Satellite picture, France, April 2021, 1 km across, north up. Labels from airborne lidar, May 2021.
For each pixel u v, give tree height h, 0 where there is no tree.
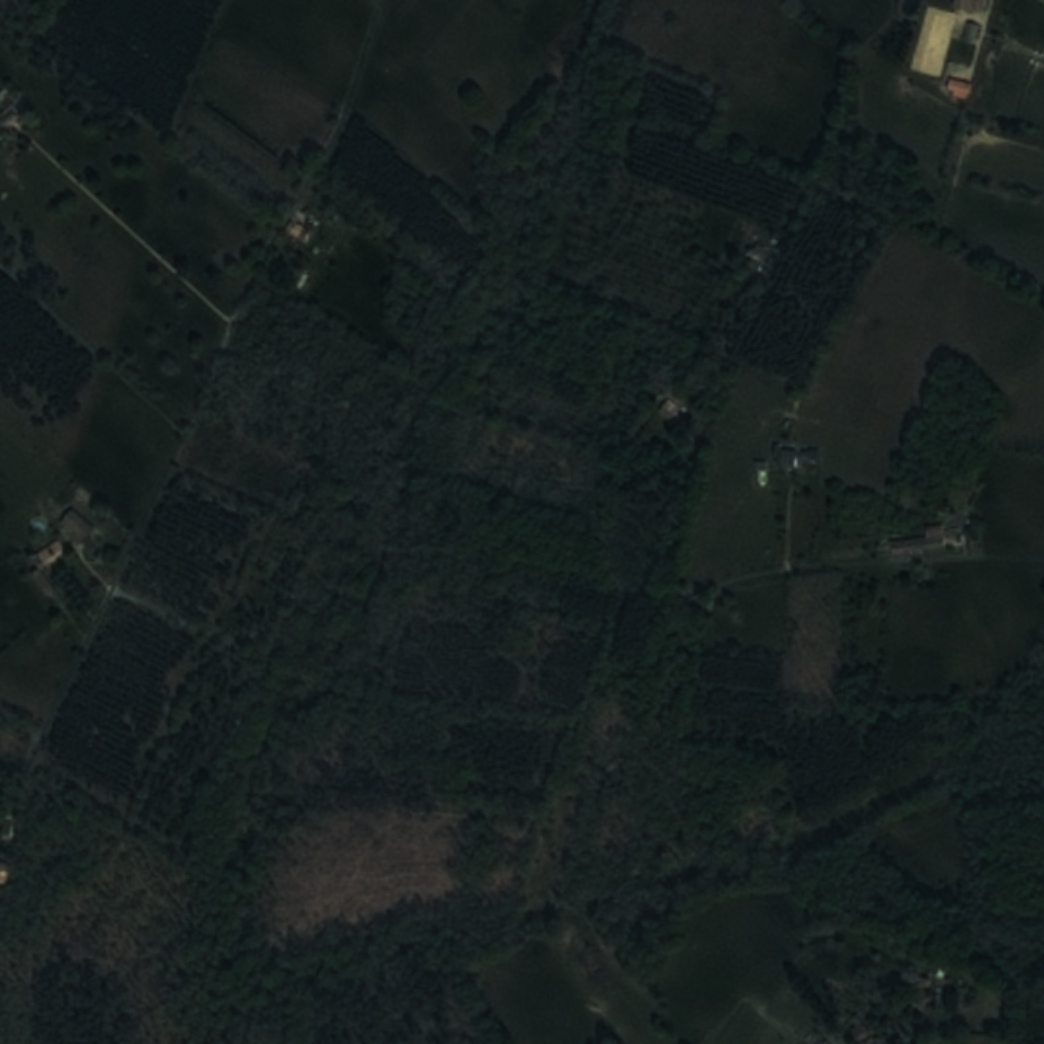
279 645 11
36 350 13
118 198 0
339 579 13
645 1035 0
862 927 17
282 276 25
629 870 18
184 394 0
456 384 27
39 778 10
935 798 17
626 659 18
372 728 21
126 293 0
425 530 18
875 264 10
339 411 12
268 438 24
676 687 16
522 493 8
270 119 0
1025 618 0
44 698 0
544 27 0
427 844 0
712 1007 0
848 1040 8
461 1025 16
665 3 0
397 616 14
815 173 20
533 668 10
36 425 8
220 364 15
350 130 10
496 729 16
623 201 9
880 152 6
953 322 0
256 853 17
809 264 18
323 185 12
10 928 19
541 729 15
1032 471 0
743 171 14
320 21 0
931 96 0
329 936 20
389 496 21
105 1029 24
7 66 0
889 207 20
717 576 0
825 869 25
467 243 10
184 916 15
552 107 22
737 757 22
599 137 20
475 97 16
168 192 0
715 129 16
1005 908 20
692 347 17
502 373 21
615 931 13
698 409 16
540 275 20
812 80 0
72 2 6
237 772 22
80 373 11
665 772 17
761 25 0
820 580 11
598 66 21
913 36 6
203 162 12
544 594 13
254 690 20
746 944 0
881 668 8
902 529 10
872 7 0
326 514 15
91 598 12
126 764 12
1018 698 22
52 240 0
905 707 15
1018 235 0
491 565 20
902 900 20
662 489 11
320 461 17
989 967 28
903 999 20
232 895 24
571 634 11
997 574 0
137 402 0
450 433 14
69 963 23
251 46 0
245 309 14
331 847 0
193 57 6
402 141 0
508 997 0
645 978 17
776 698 14
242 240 0
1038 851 16
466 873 17
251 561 13
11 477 0
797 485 11
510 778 17
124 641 11
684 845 27
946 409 15
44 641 0
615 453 20
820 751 15
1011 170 0
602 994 0
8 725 16
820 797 17
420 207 10
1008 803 22
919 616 0
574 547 22
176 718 12
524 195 13
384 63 0
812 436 0
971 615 0
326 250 0
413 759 20
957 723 19
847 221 16
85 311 0
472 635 11
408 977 19
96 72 5
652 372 15
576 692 11
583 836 19
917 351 0
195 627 12
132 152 0
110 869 18
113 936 10
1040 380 0
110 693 10
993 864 21
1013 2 0
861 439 0
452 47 0
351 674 17
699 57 0
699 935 0
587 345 21
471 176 6
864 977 18
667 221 8
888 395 0
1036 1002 20
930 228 20
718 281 13
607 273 6
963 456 15
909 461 18
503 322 28
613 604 18
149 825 8
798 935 0
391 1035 7
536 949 0
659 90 12
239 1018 24
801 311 17
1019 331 0
